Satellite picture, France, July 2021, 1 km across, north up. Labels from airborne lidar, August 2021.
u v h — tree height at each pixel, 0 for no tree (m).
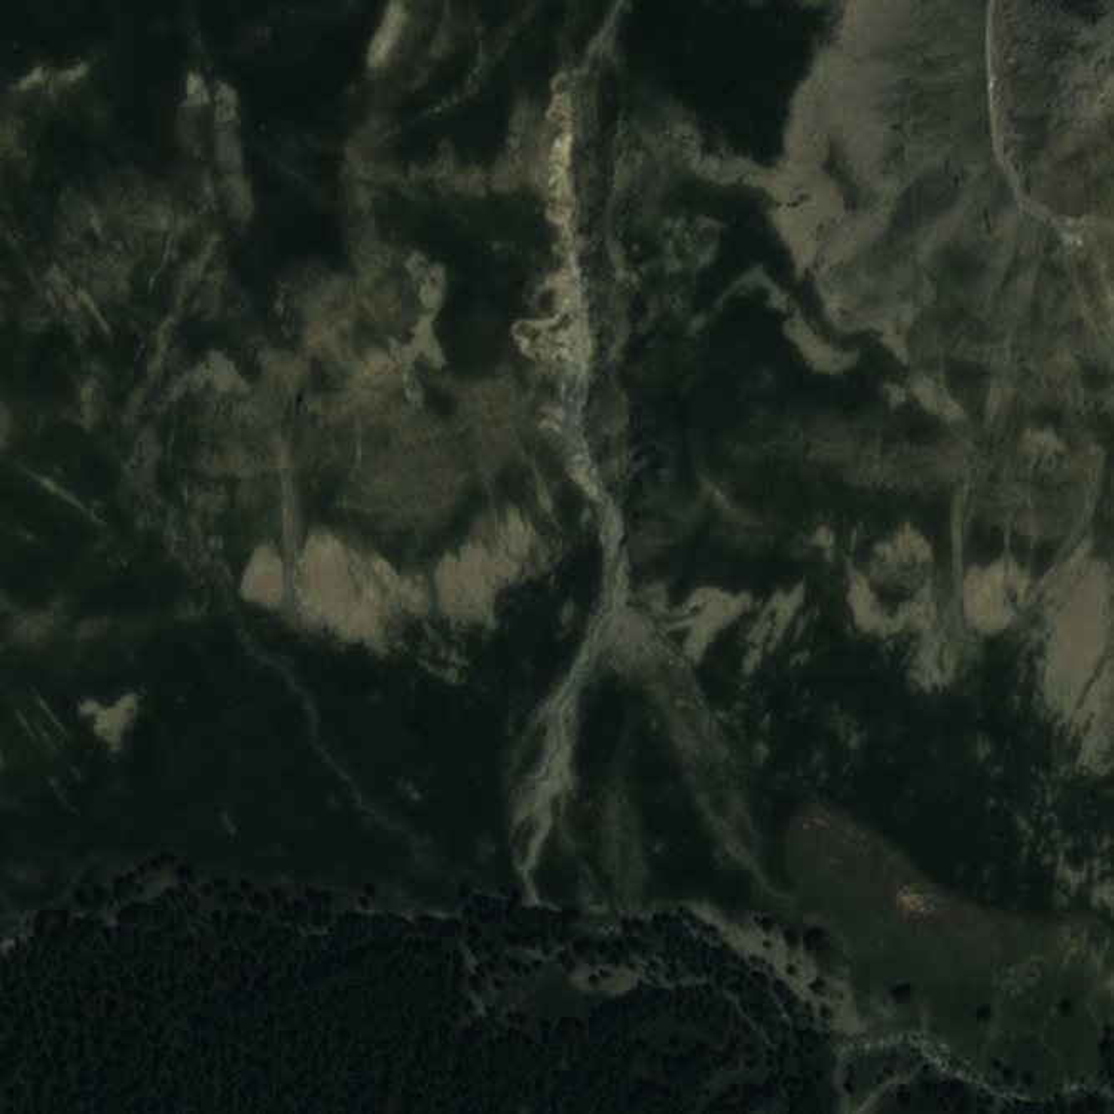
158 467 0
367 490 0
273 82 0
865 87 0
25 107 0
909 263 0
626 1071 21
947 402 0
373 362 0
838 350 0
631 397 0
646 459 0
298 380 0
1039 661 0
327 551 0
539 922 21
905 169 0
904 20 0
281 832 0
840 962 0
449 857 0
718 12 0
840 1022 0
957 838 0
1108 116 0
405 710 0
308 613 0
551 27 0
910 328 0
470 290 0
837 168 0
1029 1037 0
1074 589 0
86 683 0
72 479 0
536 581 0
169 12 0
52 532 0
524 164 0
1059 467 0
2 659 0
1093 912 0
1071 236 0
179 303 0
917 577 0
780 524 0
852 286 0
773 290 0
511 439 0
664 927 17
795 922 0
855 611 0
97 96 0
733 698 0
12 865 0
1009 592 0
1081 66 0
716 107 0
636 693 0
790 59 0
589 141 0
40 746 0
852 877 0
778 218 0
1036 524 0
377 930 21
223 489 0
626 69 0
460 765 0
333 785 0
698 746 0
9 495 0
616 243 0
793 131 0
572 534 0
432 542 0
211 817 0
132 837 0
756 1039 18
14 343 0
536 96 0
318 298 0
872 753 0
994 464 0
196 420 0
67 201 0
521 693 0
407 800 0
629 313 0
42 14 0
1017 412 0
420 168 0
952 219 0
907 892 0
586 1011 0
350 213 0
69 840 0
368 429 0
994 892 0
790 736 0
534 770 0
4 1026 21
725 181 0
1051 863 0
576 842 0
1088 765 0
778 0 0
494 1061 21
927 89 0
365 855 0
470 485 0
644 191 0
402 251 0
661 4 0
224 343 0
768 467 0
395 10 0
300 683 0
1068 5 0
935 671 0
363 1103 16
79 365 0
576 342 0
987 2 0
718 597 0
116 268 0
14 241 0
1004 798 0
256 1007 25
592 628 0
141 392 0
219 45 0
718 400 0
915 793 0
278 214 0
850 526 0
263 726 0
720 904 0
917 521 0
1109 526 0
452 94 0
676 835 0
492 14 0
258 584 0
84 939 23
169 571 0
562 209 0
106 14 0
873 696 0
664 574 0
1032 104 0
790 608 0
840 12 0
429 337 0
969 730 0
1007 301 0
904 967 0
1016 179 0
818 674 0
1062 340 0
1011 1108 14
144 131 0
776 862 0
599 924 0
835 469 0
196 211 0
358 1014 20
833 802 0
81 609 0
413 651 0
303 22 0
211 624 0
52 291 0
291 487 0
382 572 0
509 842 0
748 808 0
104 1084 21
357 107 0
